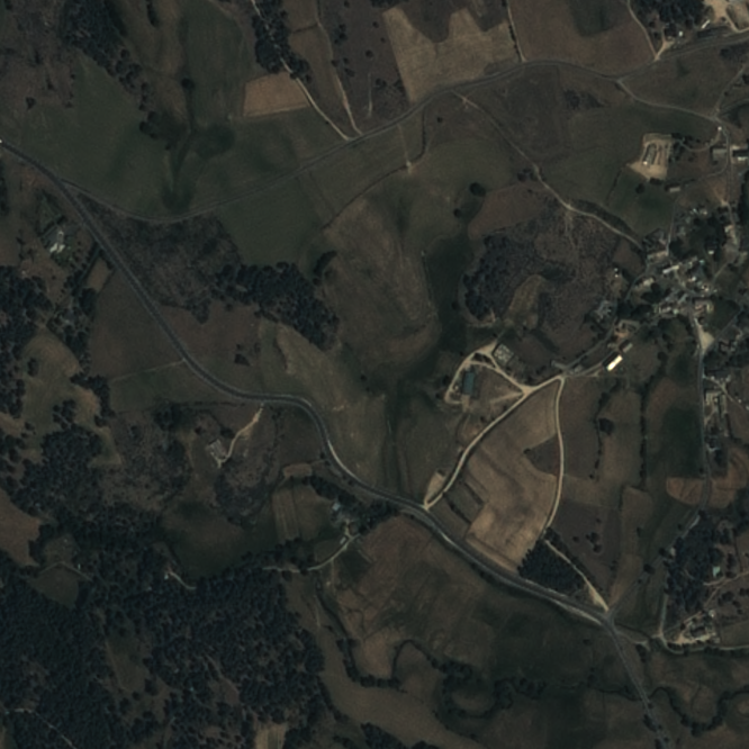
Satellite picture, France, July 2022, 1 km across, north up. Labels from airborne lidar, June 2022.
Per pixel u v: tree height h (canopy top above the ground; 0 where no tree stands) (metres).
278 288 20
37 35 0
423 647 0
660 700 0
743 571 0
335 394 0
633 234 0
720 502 0
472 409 0
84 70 0
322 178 0
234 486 0
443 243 0
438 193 0
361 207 0
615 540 0
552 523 0
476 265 0
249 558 11
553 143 0
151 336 0
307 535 0
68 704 19
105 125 0
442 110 0
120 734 18
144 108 9
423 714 0
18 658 15
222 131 0
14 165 0
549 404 0
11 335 15
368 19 0
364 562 0
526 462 0
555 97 0
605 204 0
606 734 0
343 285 0
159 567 9
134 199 0
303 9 0
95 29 15
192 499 0
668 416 0
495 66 0
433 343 0
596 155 0
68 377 0
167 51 0
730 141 0
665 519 0
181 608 14
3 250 0
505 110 0
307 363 0
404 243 0
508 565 0
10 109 0
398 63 0
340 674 0
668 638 0
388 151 0
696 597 16
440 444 0
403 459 0
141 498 0
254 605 16
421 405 0
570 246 0
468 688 0
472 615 0
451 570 0
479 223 0
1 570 17
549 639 0
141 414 0
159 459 0
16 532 0
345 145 0
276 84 0
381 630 0
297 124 0
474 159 0
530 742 0
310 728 8
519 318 0
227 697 0
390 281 0
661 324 11
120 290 0
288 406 0
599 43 0
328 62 0
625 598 0
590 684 6
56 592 0
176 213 0
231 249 0
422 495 0
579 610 0
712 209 0
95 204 0
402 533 0
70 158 0
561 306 0
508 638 0
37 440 0
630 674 0
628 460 0
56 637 13
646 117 0
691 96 0
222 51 0
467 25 0
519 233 0
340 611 0
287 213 0
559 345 0
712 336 0
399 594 0
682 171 0
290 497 0
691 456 0
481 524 0
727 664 0
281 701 14
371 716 0
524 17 0
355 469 0
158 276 0
